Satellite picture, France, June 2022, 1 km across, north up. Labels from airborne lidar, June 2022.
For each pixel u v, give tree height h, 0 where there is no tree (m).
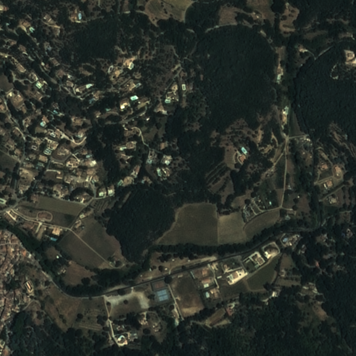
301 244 14
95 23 9
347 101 6
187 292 0
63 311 0
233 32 6
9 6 8
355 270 9
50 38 9
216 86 10
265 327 9
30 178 0
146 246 7
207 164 14
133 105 9
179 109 12
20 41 17
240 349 8
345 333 16
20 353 16
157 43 10
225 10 0
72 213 0
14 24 15
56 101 12
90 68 10
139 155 10
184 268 13
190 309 0
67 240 0
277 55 17
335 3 7
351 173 16
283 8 15
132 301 0
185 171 6
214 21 10
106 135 17
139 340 9
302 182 21
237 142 7
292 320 14
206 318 7
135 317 11
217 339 6
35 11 8
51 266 8
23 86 12
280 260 8
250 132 7
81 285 12
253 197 12
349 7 18
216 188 0
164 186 6
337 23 14
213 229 0
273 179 0
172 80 9
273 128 10
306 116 13
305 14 11
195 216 0
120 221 12
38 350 17
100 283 10
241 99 10
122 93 8
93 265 0
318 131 12
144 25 12
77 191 15
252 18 12
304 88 8
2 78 0
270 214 0
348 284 15
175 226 0
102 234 0
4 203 0
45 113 14
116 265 7
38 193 7
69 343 15
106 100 15
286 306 17
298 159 15
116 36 6
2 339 11
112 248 0
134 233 11
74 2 10
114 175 13
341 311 14
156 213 10
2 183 8
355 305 7
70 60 7
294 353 16
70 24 6
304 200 0
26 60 6
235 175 25
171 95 0
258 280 0
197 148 12
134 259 10
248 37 6
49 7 8
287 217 0
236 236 0
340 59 8
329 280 17
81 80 6
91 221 0
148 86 9
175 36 12
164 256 12
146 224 12
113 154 11
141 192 6
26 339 19
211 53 8
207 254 9
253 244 14
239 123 8
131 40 9
